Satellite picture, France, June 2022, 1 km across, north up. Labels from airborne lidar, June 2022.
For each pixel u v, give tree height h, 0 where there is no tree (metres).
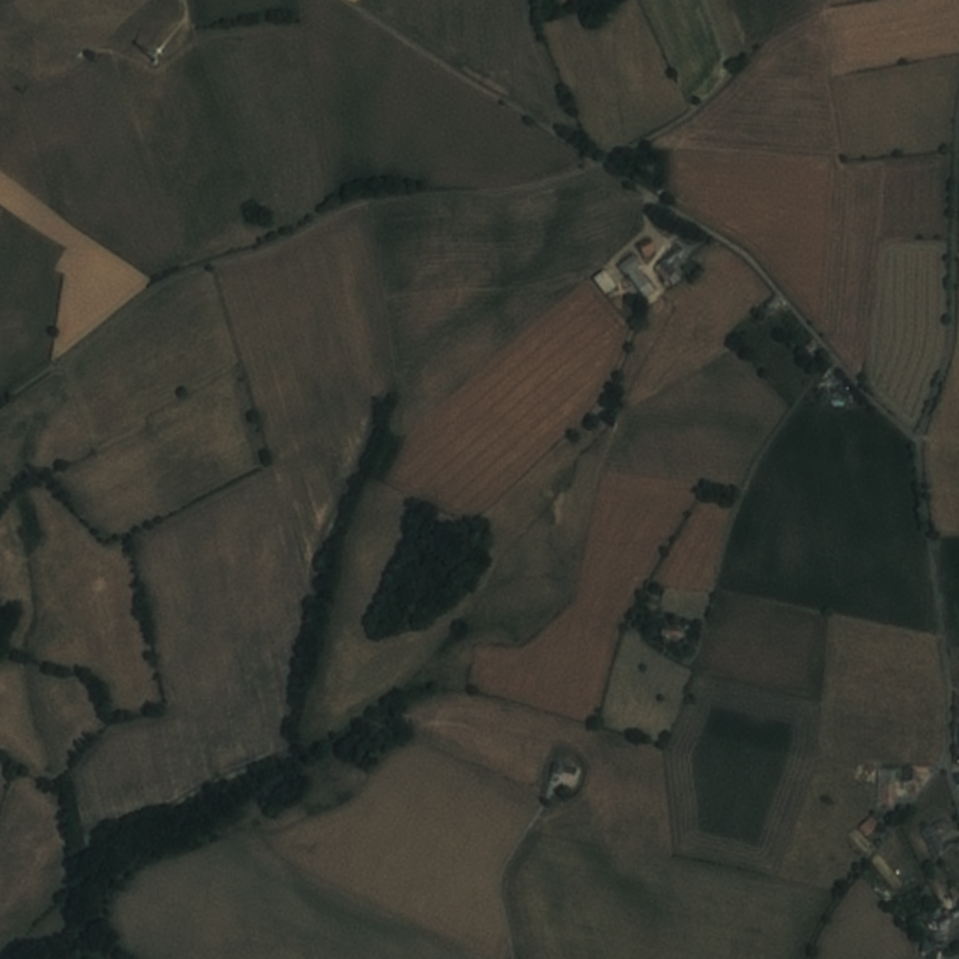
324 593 16
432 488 0
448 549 26
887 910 15
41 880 0
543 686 0
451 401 0
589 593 0
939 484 0
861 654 0
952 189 10
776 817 0
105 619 0
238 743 0
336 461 0
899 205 0
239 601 0
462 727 0
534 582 0
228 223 0
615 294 0
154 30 0
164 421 0
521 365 0
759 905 0
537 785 0
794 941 0
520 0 0
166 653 0
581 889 0
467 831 0
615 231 0
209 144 0
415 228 0
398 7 0
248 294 0
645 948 0
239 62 0
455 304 0
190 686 0
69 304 0
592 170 0
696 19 0
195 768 0
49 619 0
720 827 0
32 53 0
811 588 0
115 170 0
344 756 16
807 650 0
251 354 0
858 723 0
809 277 0
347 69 0
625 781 0
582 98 0
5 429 0
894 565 0
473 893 0
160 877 0
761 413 0
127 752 0
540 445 0
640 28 0
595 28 15
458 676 0
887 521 0
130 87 0
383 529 0
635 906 0
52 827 0
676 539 7
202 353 0
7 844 0
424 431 0
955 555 0
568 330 0
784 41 0
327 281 0
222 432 0
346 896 0
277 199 0
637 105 0
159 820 19
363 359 0
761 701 0
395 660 0
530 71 0
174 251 0
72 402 0
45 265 0
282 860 0
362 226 0
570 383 0
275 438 0
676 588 0
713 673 0
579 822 0
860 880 8
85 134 0
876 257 0
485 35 0
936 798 0
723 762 0
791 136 0
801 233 0
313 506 0
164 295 0
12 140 0
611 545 0
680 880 0
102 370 0
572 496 0
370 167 0
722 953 0
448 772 0
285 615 0
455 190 0
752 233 0
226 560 0
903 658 0
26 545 0
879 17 0
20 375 0
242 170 0
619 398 15
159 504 0
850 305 0
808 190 0
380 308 0
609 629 0
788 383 0
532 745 0
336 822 0
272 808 13
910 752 0
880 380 0
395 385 0
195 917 0
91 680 18
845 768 0
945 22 0
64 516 0
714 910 0
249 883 0
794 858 0
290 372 0
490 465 0
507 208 0
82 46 0
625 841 0
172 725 0
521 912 0
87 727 0
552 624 0
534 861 0
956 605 0
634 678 0
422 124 0
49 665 13
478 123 0
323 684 0
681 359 0
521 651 0
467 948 0
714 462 0
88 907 13
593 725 15
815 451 0
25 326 0
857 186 0
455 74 0
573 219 0
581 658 0
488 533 14
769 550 0
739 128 0
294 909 0
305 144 0
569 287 0
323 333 0
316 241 0
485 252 0
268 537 0
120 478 0
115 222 0
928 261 0
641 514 0
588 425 17
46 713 0
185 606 0
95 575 0
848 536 0
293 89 0
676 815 0
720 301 0
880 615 0
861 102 0
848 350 0
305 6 0
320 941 0
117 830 17
